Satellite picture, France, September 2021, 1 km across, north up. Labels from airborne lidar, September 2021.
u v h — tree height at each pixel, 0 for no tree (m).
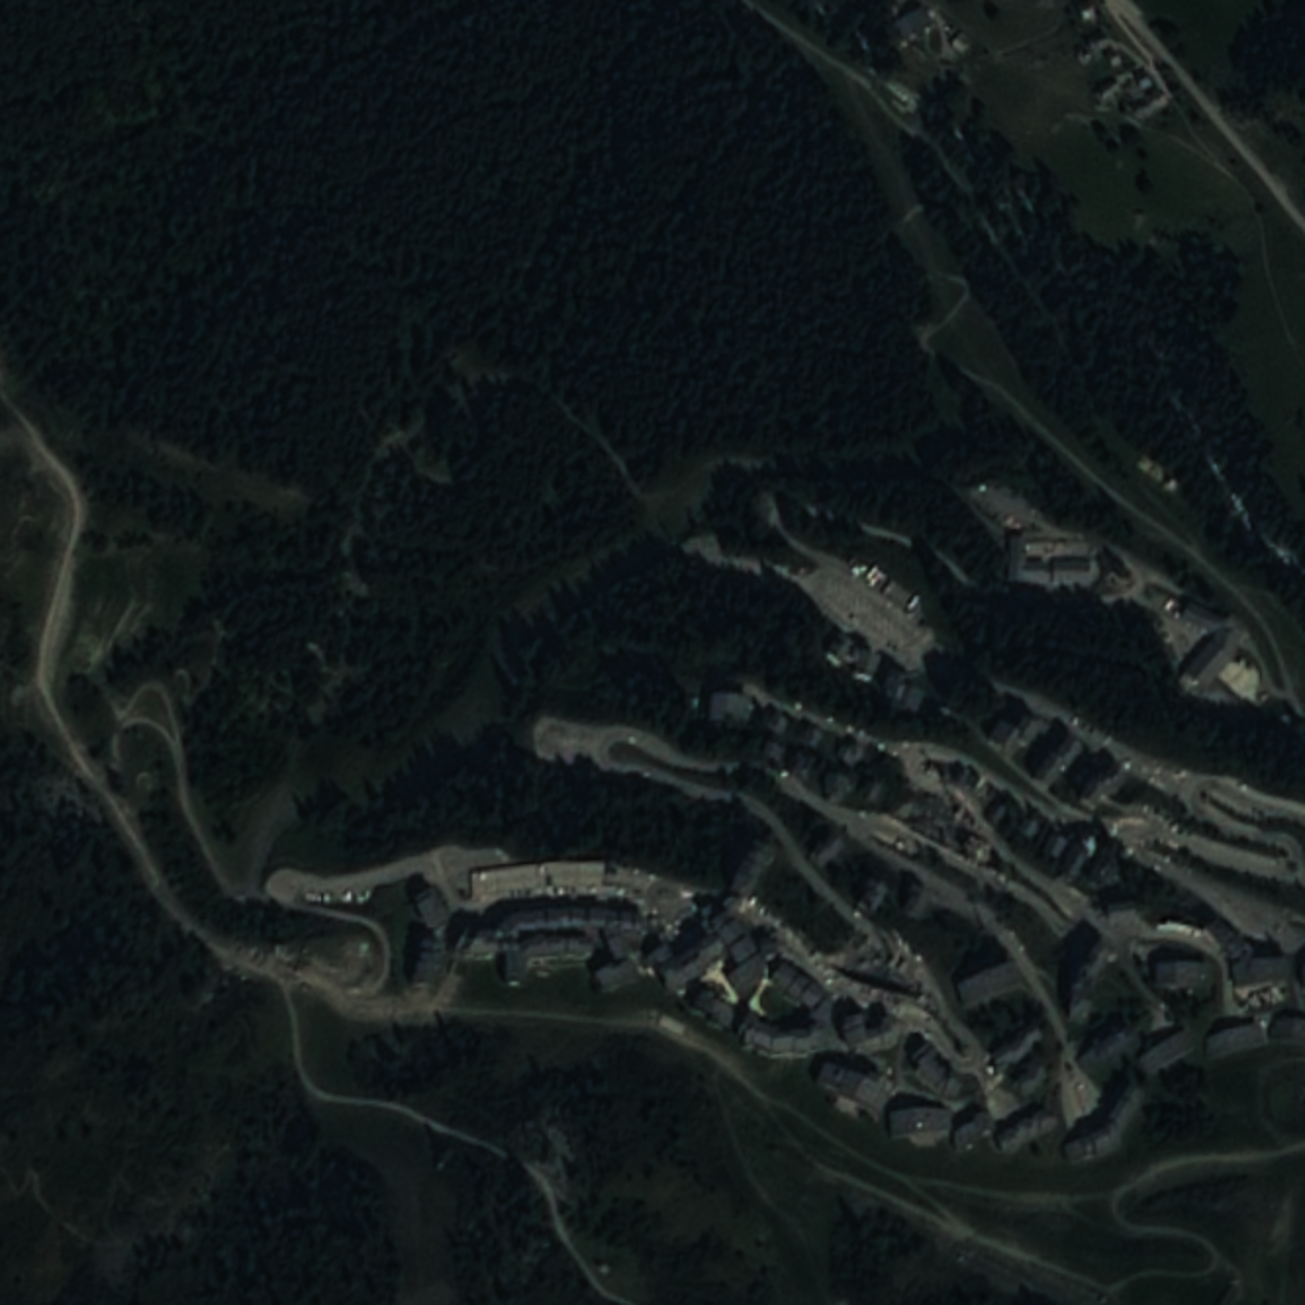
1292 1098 0
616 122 19
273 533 15
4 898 6
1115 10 0
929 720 12
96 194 17
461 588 8
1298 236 0
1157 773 0
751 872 0
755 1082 0
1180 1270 0
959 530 23
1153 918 0
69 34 22
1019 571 0
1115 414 21
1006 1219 0
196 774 14
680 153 23
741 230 23
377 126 11
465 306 24
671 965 0
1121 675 19
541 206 25
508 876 0
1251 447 26
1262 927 0
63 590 0
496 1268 11
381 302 24
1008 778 0
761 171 23
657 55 28
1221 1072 0
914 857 0
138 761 0
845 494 14
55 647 0
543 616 0
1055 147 0
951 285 0
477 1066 7
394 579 23
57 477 0
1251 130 0
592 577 0
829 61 0
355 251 7
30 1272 0
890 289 24
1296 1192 0
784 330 19
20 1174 0
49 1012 6
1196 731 17
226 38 25
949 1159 0
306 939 0
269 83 22
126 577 0
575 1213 9
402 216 23
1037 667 18
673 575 13
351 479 12
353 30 21
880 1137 0
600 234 21
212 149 9
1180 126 0
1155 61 0
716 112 23
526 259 25
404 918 0
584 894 0
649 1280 0
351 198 15
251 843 0
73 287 9
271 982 0
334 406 23
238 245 13
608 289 14
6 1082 0
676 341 25
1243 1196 0
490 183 23
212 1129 0
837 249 23
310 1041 0
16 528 0
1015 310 27
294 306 25
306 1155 27
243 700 7
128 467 6
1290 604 19
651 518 0
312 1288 12
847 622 0
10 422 0
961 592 22
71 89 10
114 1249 0
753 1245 0
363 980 0
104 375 10
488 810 10
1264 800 0
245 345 19
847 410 27
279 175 13
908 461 0
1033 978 0
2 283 8
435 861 0
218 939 0
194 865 6
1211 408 28
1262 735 19
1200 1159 0
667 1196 0
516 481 24
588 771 7
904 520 23
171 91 17
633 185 26
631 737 0
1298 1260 0
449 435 19
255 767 8
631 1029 0
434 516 21
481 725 0
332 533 17
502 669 0
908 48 0
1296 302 0
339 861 0
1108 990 0
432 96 23
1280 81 14
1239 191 0
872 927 0
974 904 0
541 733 0
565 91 27
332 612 18
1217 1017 0
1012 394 0
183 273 14
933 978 0
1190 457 23
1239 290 19
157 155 15
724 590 22
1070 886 0
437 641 22
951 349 0
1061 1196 0
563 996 0
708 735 10
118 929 9
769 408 31
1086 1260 0
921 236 0
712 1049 0
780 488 10
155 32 21
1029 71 0
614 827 9
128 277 13
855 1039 0
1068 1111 0
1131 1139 0
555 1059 0
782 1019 0
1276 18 11
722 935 0
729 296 22
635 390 24
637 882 0
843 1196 0
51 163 9
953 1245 0
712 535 0
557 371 8
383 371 17
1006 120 0
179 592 0
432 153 23
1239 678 0
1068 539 0
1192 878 0
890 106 0
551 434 25
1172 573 8
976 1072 0
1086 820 0
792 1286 0
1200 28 0
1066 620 8
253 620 22
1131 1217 0
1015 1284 0
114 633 0
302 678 14
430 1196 0
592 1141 10
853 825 0
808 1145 0
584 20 25
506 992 0
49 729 0
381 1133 0
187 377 25
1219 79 0
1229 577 0
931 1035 0
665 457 21
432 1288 0
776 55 20
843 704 8
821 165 20
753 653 7
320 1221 8
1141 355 24
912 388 25
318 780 0
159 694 0
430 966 0
